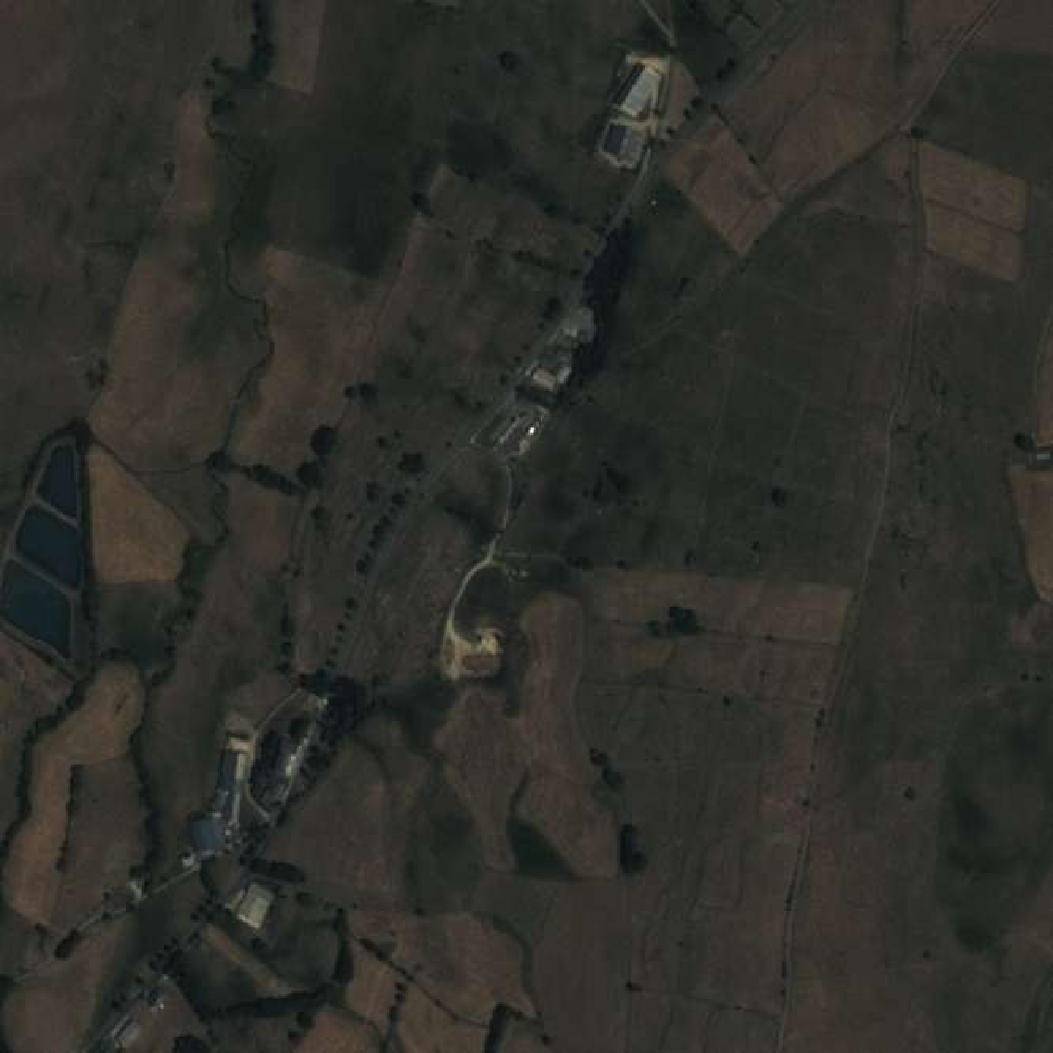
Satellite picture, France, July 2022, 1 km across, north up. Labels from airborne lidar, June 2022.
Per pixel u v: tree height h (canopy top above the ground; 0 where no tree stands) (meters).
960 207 0
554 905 0
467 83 0
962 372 0
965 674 0
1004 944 0
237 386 0
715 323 0
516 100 0
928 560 0
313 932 0
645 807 0
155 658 0
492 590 0
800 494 0
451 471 0
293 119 0
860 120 0
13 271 0
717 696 0
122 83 0
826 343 0
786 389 0
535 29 0
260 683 0
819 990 0
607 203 0
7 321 0
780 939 0
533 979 0
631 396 0
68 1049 0
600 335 9
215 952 0
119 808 0
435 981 0
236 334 0
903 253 0
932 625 0
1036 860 0
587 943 0
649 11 0
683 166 0
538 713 0
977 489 0
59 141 0
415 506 0
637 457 0
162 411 0
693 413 0
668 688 0
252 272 0
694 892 0
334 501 0
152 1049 0
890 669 0
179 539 0
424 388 0
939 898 0
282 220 0
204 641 0
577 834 0
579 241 0
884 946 0
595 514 0
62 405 0
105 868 0
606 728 0
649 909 0
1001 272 0
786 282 0
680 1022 0
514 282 0
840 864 0
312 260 0
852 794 0
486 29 0
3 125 0
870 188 0
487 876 0
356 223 0
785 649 0
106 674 0
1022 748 0
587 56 0
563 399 10
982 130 0
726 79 14
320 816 0
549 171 0
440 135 0
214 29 0
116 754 0
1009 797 0
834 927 0
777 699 0
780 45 0
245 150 0
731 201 0
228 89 0
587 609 0
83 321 0
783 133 0
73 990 0
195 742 0
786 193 0
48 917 0
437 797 0
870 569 0
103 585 0
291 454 0
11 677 0
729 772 0
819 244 0
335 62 0
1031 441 8
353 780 0
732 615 0
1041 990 0
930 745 0
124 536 0
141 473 0
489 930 0
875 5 0
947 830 0
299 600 0
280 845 0
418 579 0
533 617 0
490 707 0
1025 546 0
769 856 0
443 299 0
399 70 0
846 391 0
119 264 0
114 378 0
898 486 0
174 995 0
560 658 0
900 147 0
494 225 0
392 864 0
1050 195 0
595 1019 0
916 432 0
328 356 0
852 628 0
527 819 0
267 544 0
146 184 0
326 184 0
